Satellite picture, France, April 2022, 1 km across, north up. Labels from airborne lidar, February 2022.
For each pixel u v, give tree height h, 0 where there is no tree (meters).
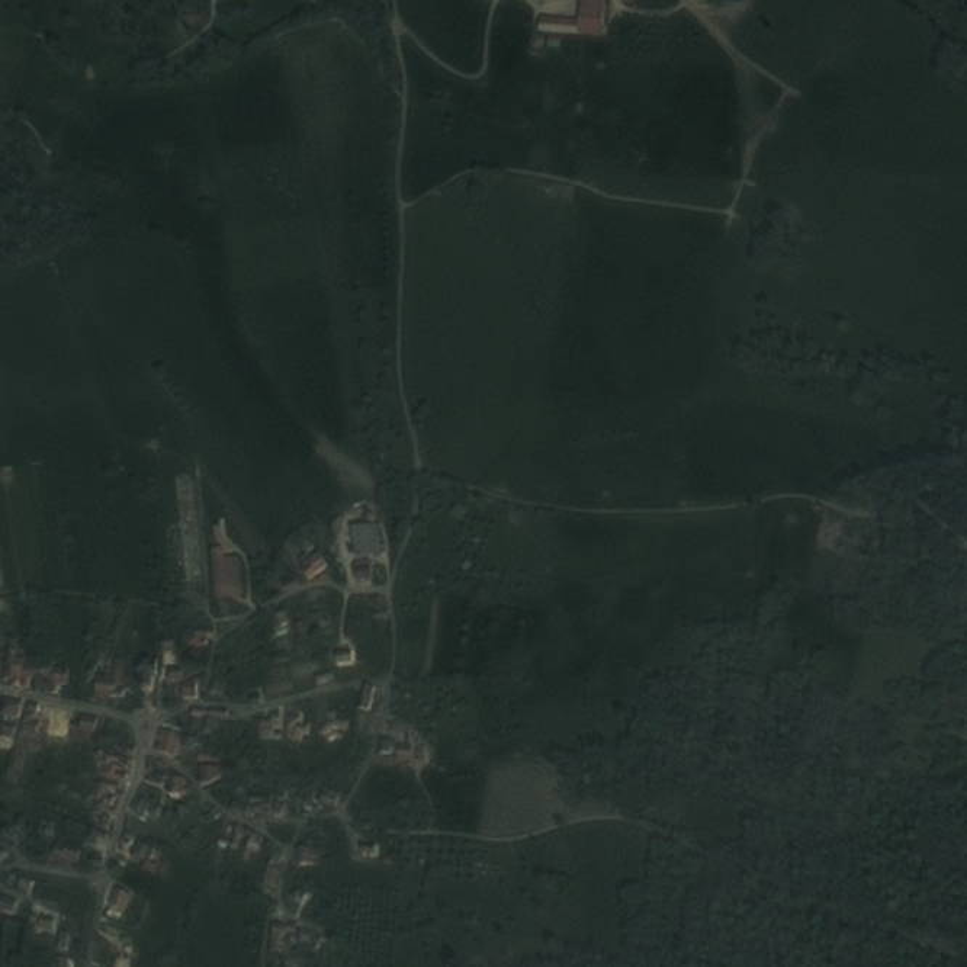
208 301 0
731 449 0
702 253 0
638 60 0
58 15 0
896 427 0
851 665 0
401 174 0
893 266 0
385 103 0
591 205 0
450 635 0
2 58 0
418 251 0
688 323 0
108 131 0
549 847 0
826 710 24
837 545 0
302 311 0
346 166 0
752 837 23
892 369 21
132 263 0
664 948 15
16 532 0
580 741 0
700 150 0
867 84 0
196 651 10
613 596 0
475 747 11
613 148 0
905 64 0
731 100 0
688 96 0
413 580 0
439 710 8
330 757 0
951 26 0
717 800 16
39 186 20
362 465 0
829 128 0
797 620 0
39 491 0
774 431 0
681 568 0
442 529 0
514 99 0
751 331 0
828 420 0
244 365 0
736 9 0
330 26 0
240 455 0
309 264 0
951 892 6
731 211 0
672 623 0
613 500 0
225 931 0
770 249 25
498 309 0
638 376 0
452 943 0
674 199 0
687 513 0
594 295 0
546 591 0
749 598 0
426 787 0
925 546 18
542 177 0
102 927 0
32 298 0
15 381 0
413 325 0
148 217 0
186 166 0
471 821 0
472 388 0
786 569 0
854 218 0
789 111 0
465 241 0
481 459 0
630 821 0
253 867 0
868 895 21
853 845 21
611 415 0
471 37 0
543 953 0
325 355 0
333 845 0
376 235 0
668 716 22
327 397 0
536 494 0
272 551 0
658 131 0
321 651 7
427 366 0
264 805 0
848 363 17
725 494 0
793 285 0
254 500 0
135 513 0
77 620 0
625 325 0
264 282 0
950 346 0
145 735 0
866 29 0
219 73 13
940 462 28
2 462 0
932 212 0
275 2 0
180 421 0
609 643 0
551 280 0
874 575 23
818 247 0
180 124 0
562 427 0
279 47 0
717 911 20
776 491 0
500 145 0
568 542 0
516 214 0
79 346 0
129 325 0
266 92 0
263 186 0
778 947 24
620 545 0
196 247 0
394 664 0
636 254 0
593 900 0
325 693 0
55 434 0
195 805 0
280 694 0
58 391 0
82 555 0
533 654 0
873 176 0
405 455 0
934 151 0
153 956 0
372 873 0
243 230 0
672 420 0
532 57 0
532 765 0
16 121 7
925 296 0
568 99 0
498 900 0
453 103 0
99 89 0
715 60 0
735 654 11
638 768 26
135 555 0
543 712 0
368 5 20
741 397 0
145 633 0
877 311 0
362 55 0
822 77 0
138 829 0
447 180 0
